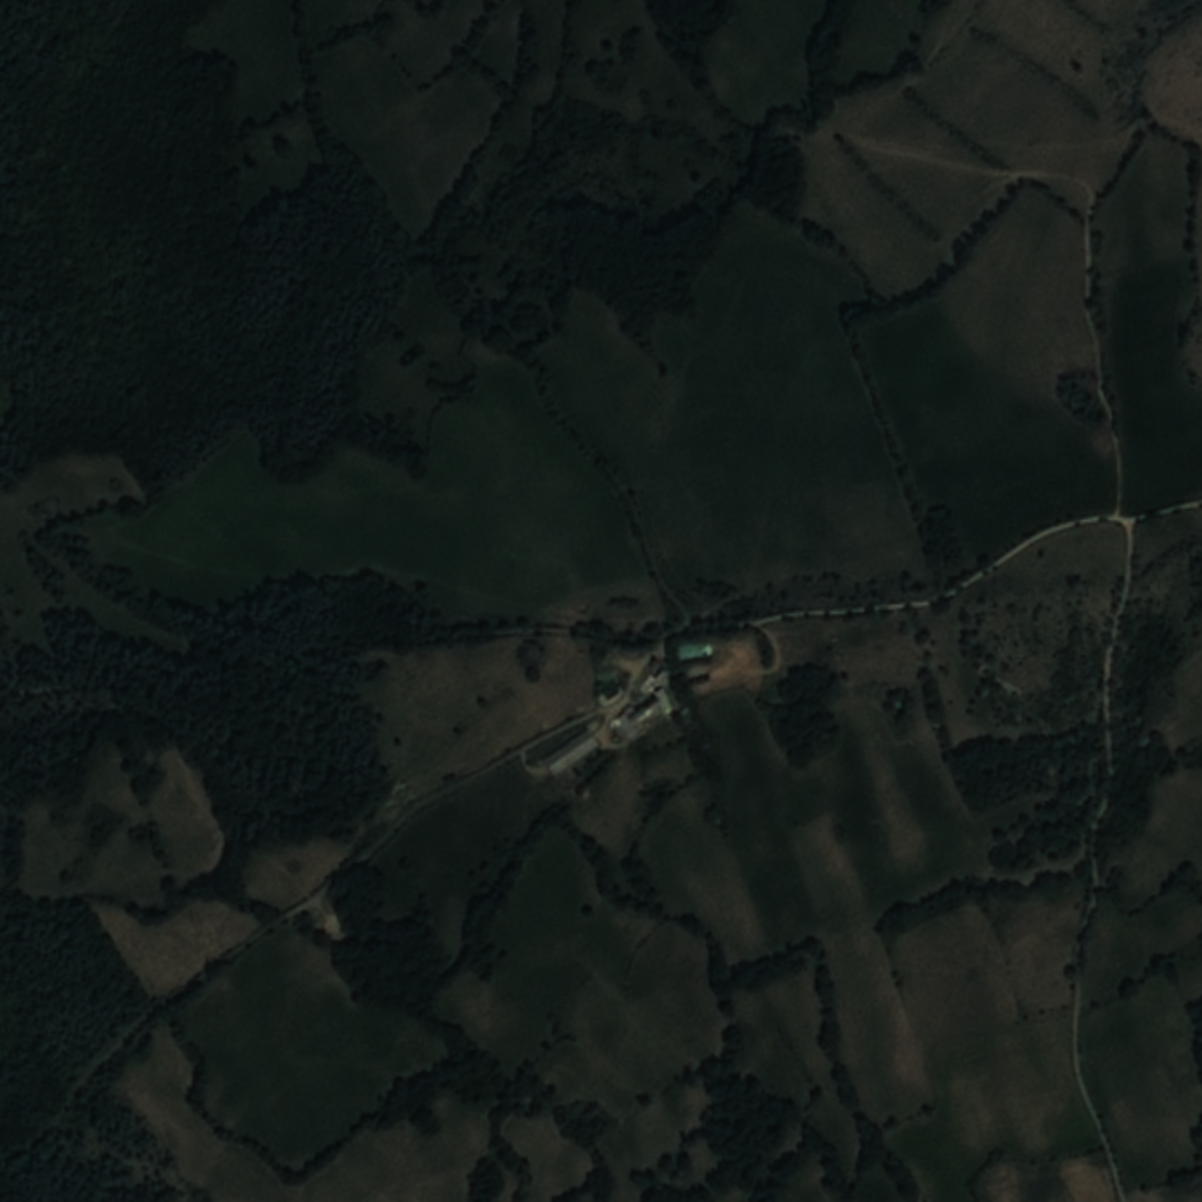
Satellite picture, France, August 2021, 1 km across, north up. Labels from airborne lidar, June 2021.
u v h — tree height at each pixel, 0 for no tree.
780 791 0
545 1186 0
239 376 19
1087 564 0
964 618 7
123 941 0
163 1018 13
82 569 16
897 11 0
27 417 18
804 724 13
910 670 0
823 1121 0
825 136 0
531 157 10
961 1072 0
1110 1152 6
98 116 19
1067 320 0
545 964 0
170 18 23
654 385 0
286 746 17
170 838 0
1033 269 0
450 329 0
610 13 0
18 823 13
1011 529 0
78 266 17
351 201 18
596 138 7
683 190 0
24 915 10
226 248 22
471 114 0
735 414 0
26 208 19
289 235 22
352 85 0
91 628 22
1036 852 14
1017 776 16
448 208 12
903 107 0
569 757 0
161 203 22
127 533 0
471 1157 0
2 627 20
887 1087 0
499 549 0
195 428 17
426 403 0
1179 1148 0
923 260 0
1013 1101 0
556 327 7
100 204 12
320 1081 0
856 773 0
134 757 8
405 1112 10
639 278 20
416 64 0
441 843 0
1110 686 8
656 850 0
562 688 0
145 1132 7
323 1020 0
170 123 27
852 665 0
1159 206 0
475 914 15
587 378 0
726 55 0
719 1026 0
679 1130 0
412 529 0
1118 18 0
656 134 10
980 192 0
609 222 21
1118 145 0
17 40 19
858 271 6
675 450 0
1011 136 0
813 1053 0
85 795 0
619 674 0
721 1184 16
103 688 17
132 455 17
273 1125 0
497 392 0
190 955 0
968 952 0
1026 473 0
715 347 0
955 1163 0
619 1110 0
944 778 0
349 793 14
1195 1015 11
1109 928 0
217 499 0
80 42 16
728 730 0
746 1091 14
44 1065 14
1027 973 0
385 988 15
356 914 16
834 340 0
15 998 7
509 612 0
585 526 0
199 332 18
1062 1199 0
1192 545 7
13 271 17
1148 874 0
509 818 0
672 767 0
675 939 0
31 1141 9
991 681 6
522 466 0
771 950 0
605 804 0
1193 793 0
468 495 0
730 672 0
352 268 21
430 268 14
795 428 0
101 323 14
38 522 0
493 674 0
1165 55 0
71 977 10
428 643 6
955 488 0
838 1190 12
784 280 0
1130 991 13
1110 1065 0
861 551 0
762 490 0
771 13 0
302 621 18
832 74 14
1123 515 0
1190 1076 0
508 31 0
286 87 0
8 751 12
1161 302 0
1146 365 0
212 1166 0
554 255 6
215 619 6
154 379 20
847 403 0
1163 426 0
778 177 16
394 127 0
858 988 0
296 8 6
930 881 0
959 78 0
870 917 0
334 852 0
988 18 0
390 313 14
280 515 0
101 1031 10
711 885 0
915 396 0
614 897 16
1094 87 0
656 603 0
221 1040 0
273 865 0
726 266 0
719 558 0
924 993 0
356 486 0
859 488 0
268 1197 0
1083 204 0
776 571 0
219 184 22
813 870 0
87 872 0
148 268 19
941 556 6
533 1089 14
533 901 0
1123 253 0
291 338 22
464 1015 0
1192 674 0
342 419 12
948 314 0
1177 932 0
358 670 15
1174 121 0
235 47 0
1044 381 0
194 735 14
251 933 0
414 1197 0
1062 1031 0
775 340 0
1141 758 13
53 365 18
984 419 0
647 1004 0
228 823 15
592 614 0
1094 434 0
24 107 18
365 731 13
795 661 0
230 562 0
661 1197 14
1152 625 8
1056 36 0
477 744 0
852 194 0
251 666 18
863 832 0
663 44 8
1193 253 10
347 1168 0
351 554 0
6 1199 15
